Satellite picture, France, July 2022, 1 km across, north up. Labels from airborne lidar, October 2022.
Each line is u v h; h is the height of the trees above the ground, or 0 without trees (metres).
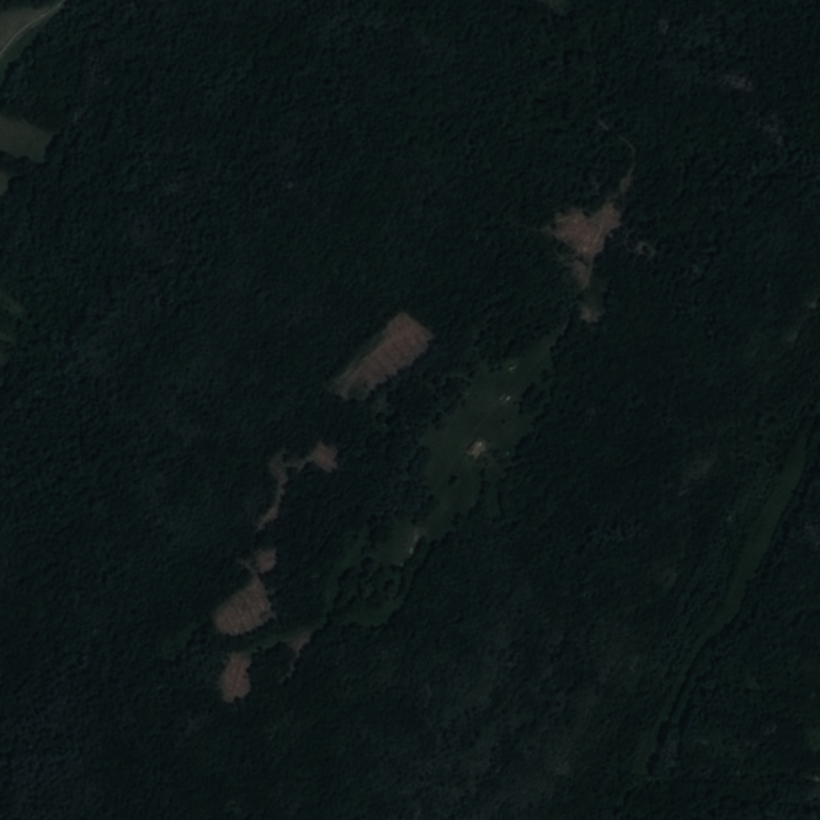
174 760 14
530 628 8
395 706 6
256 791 13
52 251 16
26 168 15
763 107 23
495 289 10
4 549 7
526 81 13
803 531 19
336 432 13
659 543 9
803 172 20
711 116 19
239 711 11
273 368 12
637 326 10
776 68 15
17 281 19
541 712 8
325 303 7
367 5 17
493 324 15
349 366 17
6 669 10
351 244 9
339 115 15
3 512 11
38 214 16
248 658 0
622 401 13
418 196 9
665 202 18
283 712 10
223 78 20
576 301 12
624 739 15
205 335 7
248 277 6
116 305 11
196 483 9
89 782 19
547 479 12
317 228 6
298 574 14
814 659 9
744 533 10
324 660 11
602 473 9
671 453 12
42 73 12
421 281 12
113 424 10
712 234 14
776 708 9
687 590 23
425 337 0
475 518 13
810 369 13
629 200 8
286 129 8
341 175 12
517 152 16
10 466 20
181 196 10
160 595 12
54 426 23
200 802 16
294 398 6
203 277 10
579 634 7
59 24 14
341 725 8
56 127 17
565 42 19
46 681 11
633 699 18
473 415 0
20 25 0
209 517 7
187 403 12
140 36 8
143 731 17
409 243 11
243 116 16
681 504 13
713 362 10
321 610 15
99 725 15
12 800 13
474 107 14
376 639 13
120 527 9
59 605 10
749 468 15
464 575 8
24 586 18
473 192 11
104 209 12
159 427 6
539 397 11
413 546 0
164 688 13
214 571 15
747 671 13
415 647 11
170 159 10
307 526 17
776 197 19
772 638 9
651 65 16
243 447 11
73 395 23
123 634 11
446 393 14
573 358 6
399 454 17
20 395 22
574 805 10
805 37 9
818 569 6
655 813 8
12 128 0
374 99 7
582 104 9
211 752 9
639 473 13
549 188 12
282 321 6
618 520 13
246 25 11
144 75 14
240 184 10
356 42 8
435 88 12
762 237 10
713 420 12
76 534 13
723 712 8
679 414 12
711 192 21
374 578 13
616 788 13
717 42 27
